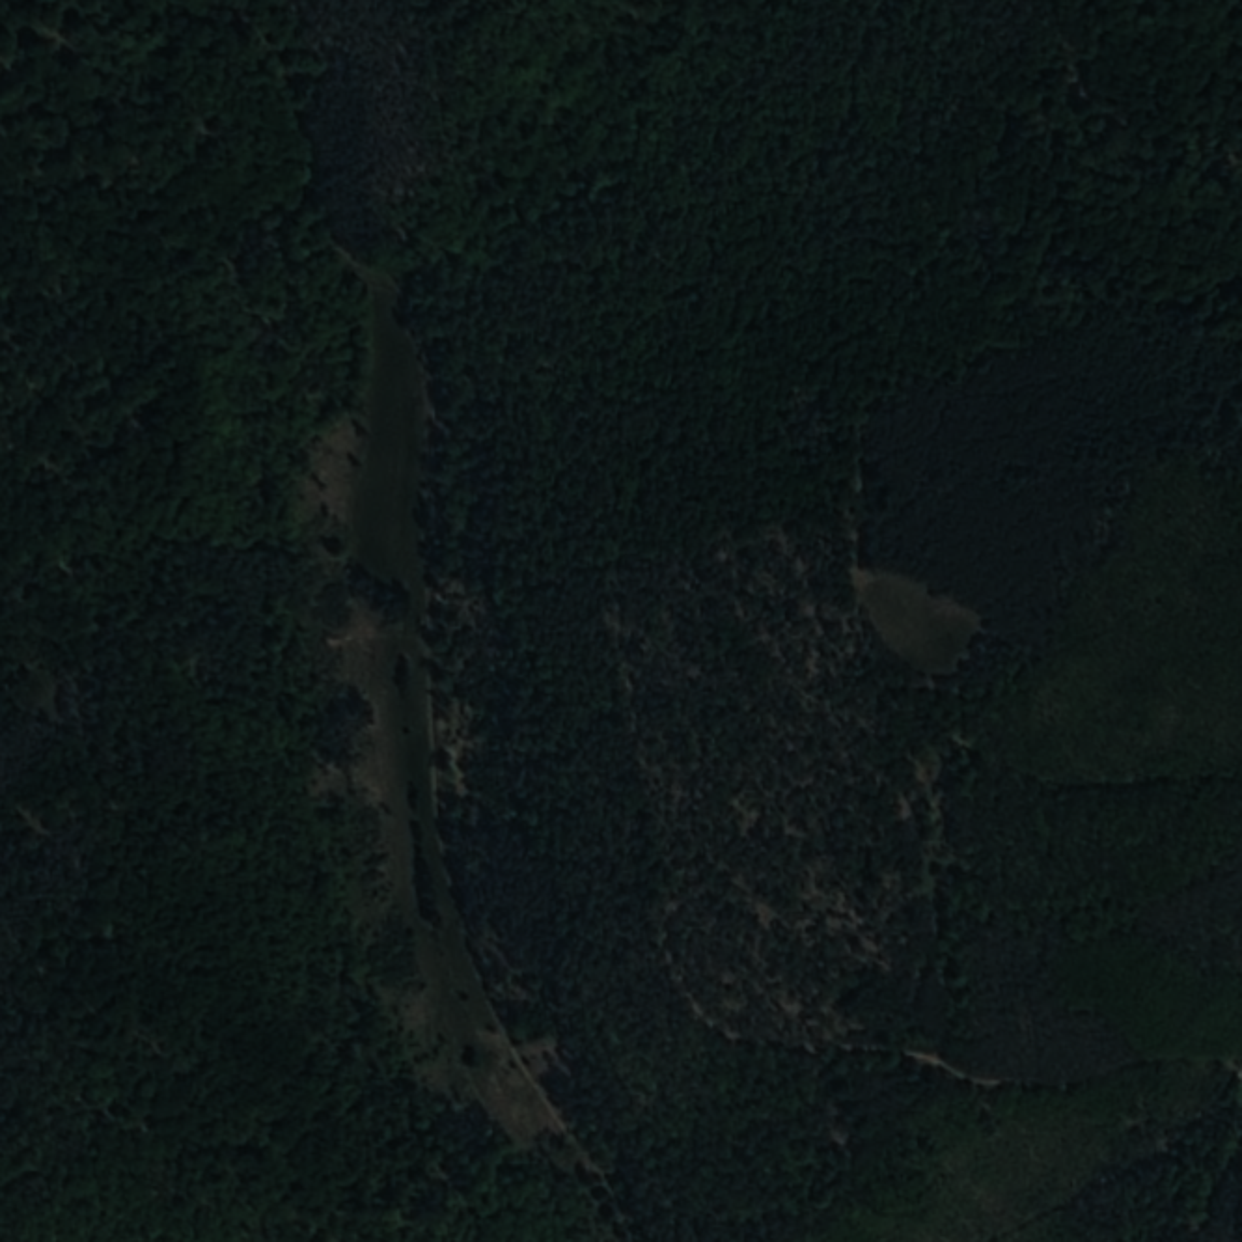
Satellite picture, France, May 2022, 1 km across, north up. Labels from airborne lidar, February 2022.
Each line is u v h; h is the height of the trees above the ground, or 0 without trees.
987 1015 22
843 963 27
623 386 26
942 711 23
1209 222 33
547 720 32
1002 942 22
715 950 25
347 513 0
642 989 24
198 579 31
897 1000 14
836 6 18
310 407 14
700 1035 22
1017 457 11
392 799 0
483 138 24
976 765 23
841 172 26
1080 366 16
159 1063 29
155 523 31
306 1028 26
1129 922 22
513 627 32
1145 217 31
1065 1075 20
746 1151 31
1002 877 23
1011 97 26
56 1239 24
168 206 38
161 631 30
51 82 33
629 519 24
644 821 28
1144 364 19
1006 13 20
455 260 29
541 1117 0
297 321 10
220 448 34
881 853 12
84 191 36
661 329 27
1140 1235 16
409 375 0
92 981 26
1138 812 24
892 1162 12
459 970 0
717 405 27
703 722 24
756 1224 23
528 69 21
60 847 27
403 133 23
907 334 28
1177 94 29
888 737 26
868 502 14
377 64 25
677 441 23
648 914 30
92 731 20
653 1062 26
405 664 10
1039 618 27
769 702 22
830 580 23
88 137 35
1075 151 29
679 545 26
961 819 24
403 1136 18
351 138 19
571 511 28
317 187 22
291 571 36
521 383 33
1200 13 33
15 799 21
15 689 22
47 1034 23
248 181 29
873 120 25
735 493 26
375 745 0
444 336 32
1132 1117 14
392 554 0
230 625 40
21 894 24
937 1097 18
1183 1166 28
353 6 27
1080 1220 18
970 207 30
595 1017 30
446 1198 19
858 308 27
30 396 16
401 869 0
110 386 24
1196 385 17
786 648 25
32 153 33
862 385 26
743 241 27
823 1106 11
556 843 27
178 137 29
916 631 0
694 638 26
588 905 28
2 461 25
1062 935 21
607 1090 30
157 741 27
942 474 12
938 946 12
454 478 24
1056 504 13
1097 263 34
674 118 27
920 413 15
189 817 21
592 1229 30
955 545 14
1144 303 25
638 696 26
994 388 13
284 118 33
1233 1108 25
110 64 27
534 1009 8
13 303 32
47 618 26
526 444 29
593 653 25
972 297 27
